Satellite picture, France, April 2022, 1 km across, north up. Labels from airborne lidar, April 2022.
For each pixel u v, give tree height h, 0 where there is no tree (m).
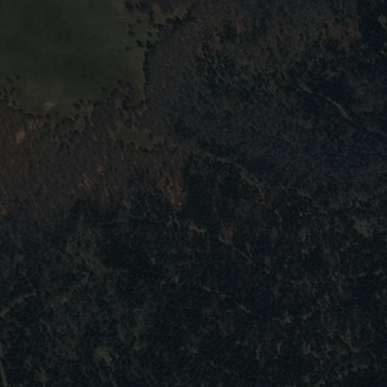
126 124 11
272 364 24
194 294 27
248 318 20
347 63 27
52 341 10
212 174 9
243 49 24
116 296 30
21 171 22
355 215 11
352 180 27
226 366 19
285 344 16
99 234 27
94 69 0
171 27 16
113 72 0
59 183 19
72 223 28
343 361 24
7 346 30
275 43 32
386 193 19
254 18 25
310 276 13
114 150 18
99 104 15
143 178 24
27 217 25
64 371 37
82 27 0
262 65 29
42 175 20
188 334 16
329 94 15
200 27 25
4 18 0
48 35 0
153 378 25
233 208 12
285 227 24
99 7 0
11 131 19
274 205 13
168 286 17
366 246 20
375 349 17
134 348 29
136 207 27
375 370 15
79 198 11
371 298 27
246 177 11
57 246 24
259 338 11
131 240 26
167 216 24
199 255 27
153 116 17
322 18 34
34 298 13
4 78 0
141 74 0
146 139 0
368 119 12
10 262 25
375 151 28
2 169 27
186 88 34
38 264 32
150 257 21
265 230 18
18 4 0
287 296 23
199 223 20
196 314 25
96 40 0
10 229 26
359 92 26
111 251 20
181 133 25
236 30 28
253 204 10
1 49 0
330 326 25
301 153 34
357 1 14
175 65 35
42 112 0
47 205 25
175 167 20
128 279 23
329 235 16
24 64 0
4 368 29
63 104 0
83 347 31
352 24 9
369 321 28
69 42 0
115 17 0
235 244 19
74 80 0
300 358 20
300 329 22
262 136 36
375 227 11
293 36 28
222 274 24
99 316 26
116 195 23
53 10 0
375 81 31
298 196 9
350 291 27
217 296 22
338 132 9
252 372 21
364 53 27
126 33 0
